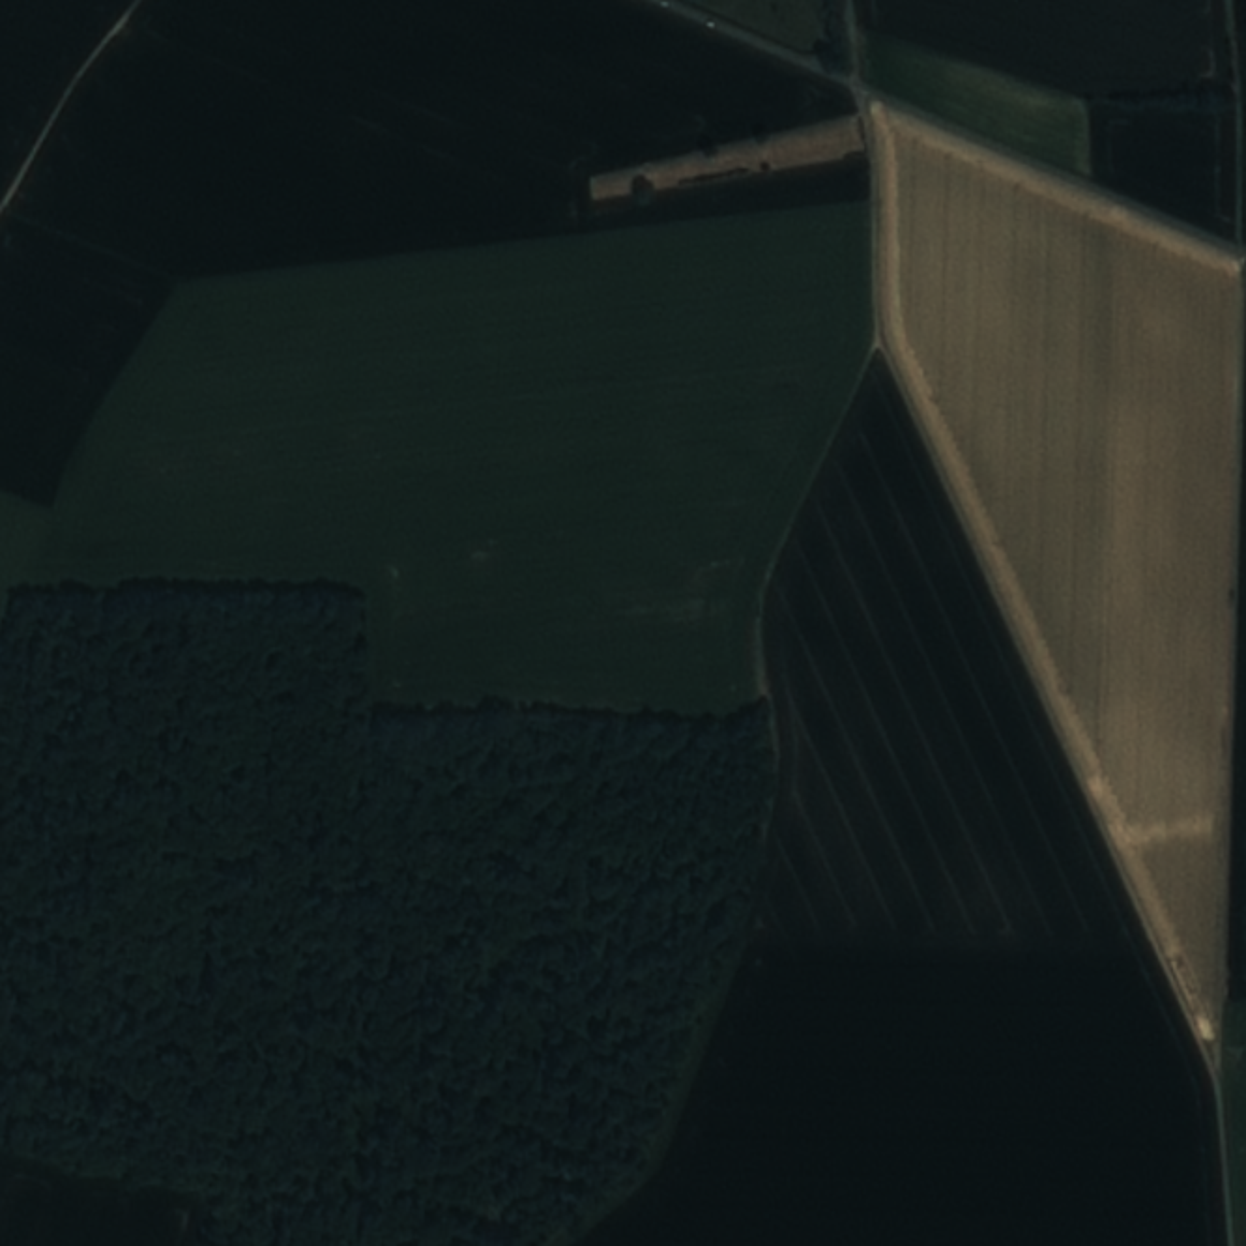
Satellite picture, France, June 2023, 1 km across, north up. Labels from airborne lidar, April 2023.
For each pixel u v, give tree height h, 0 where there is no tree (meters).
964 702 0
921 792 0
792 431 0
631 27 0
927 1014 0
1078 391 0
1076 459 0
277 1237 21
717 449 0
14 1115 22
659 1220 0
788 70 0
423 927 22
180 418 0
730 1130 0
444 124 0
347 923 27
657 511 0
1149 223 0
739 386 0
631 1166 17
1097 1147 0
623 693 0
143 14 0
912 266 0
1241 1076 0
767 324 0
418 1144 27
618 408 0
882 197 0
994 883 0
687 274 0
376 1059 22
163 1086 27
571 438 0
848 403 0
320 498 0
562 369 0
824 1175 0
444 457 0
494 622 0
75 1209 0
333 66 0
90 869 25
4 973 24
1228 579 0
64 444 0
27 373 0
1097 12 0
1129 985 0
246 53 0
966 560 0
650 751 21
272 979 28
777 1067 0
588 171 0
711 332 0
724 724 7
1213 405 0
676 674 0
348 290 0
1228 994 0
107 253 0
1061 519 0
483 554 0
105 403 0
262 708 24
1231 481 0
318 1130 29
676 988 22
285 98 0
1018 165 0
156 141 0
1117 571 0
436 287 0
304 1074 24
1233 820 0
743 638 0
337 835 25
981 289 0
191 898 26
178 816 26
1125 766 0
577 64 0
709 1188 0
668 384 0
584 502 0
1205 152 0
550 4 0
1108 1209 0
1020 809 0
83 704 24
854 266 0
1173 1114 0
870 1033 0
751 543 0
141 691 26
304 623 26
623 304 0
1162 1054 0
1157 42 0
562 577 0
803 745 0
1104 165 0
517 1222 17
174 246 0
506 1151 22
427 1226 27
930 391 0
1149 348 0
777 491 0
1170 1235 0
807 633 0
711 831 22
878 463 0
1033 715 0
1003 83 0
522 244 0
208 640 25
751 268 0
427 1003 32
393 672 0
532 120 0
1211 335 0
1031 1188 0
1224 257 0
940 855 0
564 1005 26
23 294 0
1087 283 0
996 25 0
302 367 0
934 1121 0
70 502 0
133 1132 24
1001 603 0
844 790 0
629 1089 22
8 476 0
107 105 0
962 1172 0
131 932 26
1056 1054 0
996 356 0
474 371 0
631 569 0
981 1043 0
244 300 0
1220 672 0
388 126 0
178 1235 0
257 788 27
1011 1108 0
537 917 31
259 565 0
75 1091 20
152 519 0
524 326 0
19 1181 0
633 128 0
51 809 33
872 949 0
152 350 0
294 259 0
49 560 0
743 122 0
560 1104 26
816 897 0
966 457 0
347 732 25
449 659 0
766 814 13
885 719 0
